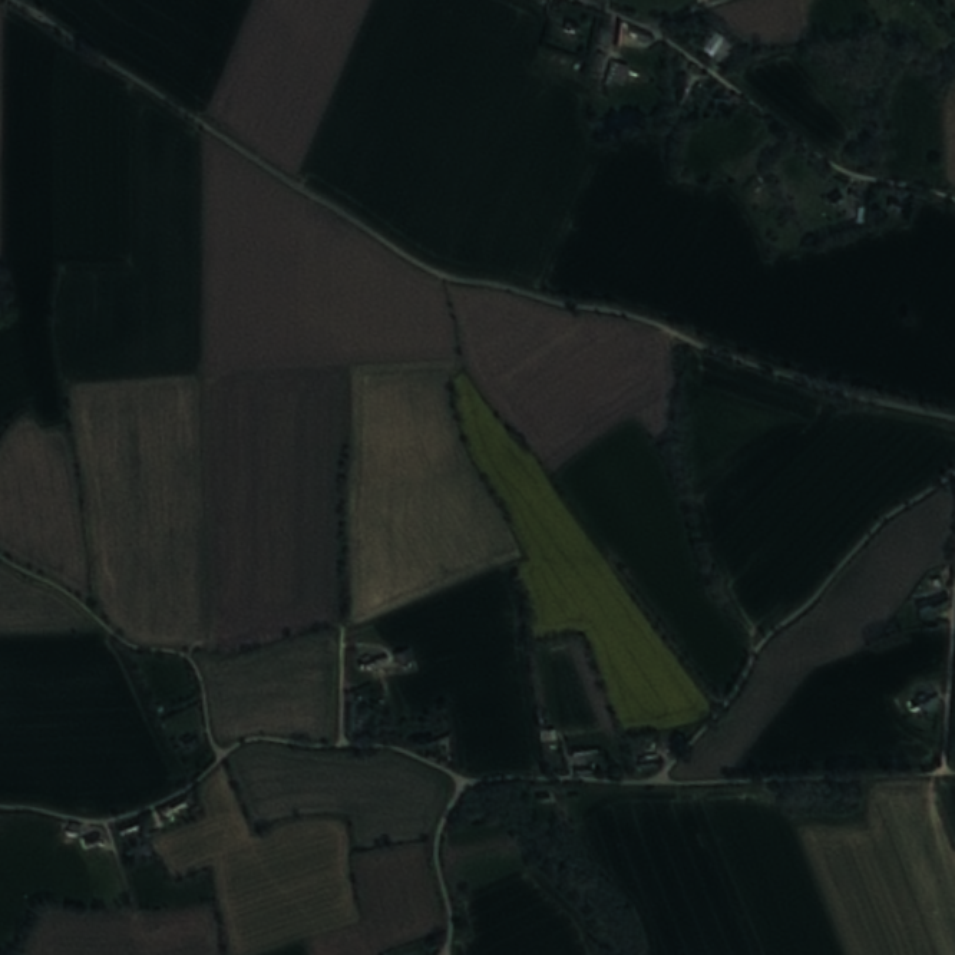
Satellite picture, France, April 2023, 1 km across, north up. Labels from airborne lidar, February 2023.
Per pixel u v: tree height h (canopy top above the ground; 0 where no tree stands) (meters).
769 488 0
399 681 0
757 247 0
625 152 0
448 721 11
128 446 0
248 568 0
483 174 0
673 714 0
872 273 0
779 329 0
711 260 0
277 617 0
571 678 0
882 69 20
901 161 0
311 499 0
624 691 0
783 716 0
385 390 0
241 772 0
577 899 13
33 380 0
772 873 0
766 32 0
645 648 0
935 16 13
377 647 0
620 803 0
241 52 0
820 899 0
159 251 0
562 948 0
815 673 0
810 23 0
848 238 9
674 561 0
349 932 0
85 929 0
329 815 0
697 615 0
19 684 0
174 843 0
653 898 0
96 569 0
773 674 0
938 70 11
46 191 0
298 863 0
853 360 0
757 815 0
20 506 0
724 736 0
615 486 0
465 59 0
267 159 0
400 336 0
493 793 14
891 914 0
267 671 0
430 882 0
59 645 0
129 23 0
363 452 0
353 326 0
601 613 0
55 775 0
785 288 0
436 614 0
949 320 0
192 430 0
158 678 0
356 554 0
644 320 0
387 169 0
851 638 0
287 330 0
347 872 0
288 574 0
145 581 0
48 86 0
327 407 0
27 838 0
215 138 0
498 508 10
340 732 0
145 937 0
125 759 0
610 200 0
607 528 0
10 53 0
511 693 0
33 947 0
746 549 0
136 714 0
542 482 0
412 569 0
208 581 0
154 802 0
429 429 0
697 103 11
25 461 0
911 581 0
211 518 0
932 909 0
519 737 0
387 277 0
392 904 0
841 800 16
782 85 0
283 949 0
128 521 0
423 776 0
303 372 0
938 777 0
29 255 0
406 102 0
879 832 0
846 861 0
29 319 0
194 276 0
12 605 0
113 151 0
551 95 0
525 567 0
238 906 0
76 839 0
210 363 0
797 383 10
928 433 0
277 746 0
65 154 0
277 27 0
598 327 0
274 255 0
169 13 0
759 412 0
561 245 0
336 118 0
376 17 0
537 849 15
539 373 0
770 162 15
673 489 10
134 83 0
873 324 0
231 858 0
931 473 0
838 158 0
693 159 0
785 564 0
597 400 0
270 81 0
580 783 11
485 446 0
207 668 0
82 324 0
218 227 0
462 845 0
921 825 0
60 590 0
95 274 0
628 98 0
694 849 0
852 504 0
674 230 0
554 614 0
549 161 0
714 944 0
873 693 0
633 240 0
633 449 0
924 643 0
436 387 0
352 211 0
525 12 0
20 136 0
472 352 0
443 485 0
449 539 0
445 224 0
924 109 0
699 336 9
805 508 0
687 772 0
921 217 0
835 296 0
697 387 0
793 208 12
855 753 0
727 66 13
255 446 0
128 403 0
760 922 0
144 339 0
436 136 0
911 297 0
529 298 0
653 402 0
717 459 0
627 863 0
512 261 0
